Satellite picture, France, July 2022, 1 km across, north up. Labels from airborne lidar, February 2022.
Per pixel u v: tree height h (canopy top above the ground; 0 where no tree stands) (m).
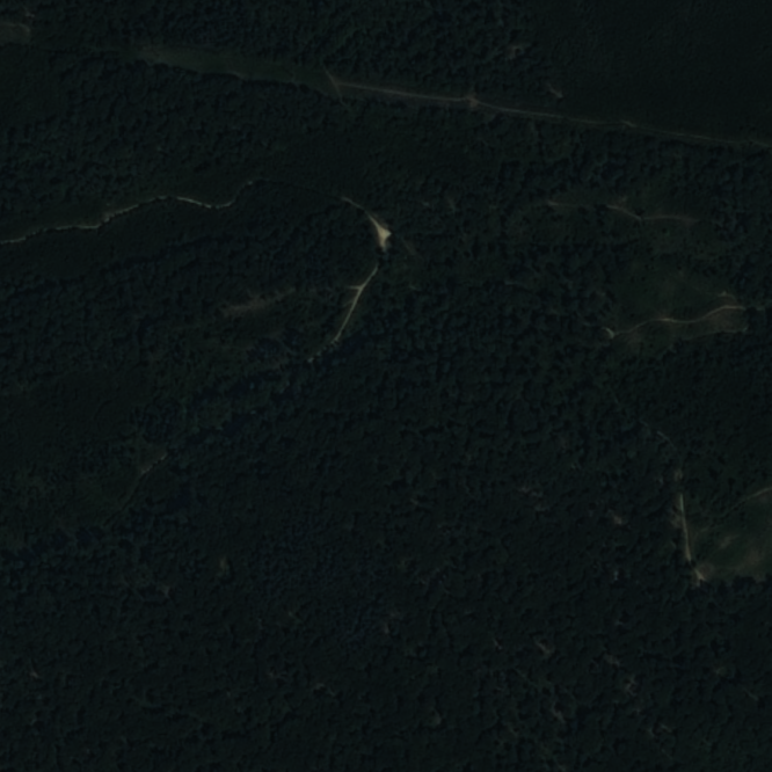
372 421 25
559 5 15
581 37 14
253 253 23
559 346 34
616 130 6
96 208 8
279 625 26
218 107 18
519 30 15
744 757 15
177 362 18
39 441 9
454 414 19
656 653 26
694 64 12
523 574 27
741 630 31
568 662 23
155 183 24
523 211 25
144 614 26
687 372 7
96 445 6
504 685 26
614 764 31
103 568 27
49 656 21
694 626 27
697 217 5
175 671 27
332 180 9
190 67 0
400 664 24
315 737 24
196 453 32
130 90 27
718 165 27
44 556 29
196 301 27
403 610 25
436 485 24
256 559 22
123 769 23
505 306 21
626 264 29
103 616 22
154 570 26
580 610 26
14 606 11
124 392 6
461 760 22
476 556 26
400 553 27
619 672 23
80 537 0
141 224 12
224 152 24
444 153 11
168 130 26
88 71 25
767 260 25
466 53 26
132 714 28
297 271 20
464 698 26
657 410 16
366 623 31
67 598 27
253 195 12
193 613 25
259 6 19
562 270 6
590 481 22
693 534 0
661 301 0
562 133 16
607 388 13
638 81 10
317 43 8
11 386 23
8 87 17
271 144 22
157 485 8
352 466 26
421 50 10
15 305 21
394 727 19
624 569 32
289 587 30
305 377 26
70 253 10
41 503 6
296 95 24
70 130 26
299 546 29
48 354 26
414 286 7
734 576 0
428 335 28
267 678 27
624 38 12
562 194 26
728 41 10
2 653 26
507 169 26
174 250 21
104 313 22
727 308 0
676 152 23
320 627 23
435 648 24
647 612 29
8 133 9
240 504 25
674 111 14
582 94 14
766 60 9
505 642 27
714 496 8
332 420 34
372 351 32
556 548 30
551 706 24
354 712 22
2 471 7
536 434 25
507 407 31
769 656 26
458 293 28
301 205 14
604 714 29
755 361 27
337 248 22
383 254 22
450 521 24
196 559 9
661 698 30
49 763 29
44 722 22
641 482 27
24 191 28
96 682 23
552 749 21
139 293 25
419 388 27
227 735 6
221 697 29
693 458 15
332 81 0
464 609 25
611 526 29
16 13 22
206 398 9
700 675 27
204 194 9
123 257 7
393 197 10
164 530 20
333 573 32
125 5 22
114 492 6
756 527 0
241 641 26
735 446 7
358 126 9
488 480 29
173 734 23
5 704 25
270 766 26
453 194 23
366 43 19
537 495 23
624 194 32
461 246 25
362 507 26
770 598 21
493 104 0
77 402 9
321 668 27
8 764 21
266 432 33
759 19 12
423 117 8
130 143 25
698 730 21
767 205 28
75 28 24
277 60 19
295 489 25
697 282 0
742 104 13
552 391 30
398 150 9
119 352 26
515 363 11
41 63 18
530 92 19
